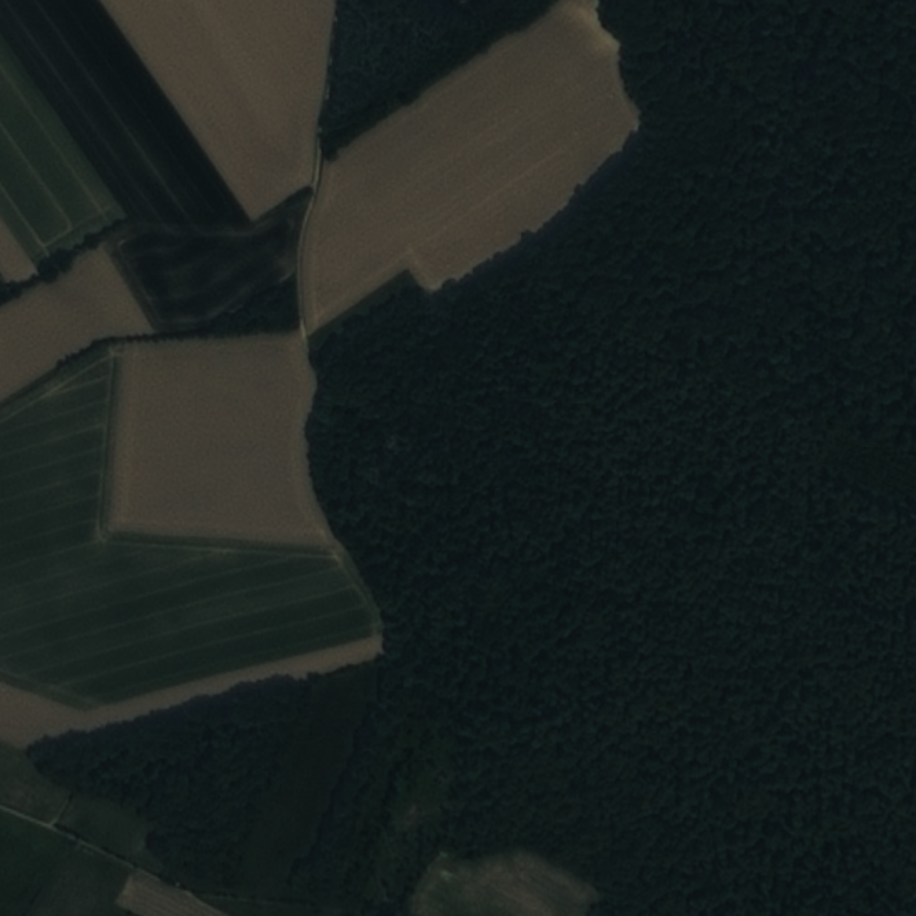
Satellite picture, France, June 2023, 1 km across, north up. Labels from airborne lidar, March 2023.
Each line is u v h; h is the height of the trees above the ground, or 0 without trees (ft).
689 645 74
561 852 61
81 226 0
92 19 0
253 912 0
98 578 0
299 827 0
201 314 0
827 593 50
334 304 0
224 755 98
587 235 94
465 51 34
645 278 85
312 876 68
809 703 77
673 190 96
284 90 0
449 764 0
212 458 0
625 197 91
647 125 67
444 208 0
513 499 78
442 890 0
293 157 0
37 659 0
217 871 60
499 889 0
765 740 77
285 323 44
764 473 60
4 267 0
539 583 81
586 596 82
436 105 0
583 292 81
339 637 0
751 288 67
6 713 0
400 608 53
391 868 0
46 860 0
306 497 0
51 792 0
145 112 0
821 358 93
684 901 71
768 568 63
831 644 78
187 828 63
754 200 110
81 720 0
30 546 0
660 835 86
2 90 0
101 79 0
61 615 0
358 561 55
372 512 30
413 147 0
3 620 0
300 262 0
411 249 0
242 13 0
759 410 77
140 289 0
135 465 0
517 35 0
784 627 75
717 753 81
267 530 0
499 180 0
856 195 86
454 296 57
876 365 75
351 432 85
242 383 0
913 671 70
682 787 90
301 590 0
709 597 80
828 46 90
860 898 45
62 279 0
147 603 0
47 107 0
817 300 89
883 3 73
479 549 75
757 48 97
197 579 0
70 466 0
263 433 0
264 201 0
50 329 0
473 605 83
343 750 0
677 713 86
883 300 90
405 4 97
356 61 91
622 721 73
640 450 44
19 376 0
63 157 0
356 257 0
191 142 0
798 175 79
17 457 0
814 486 78
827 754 80
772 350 78
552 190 0
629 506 30
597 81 0
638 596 79
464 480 73
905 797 85
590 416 68
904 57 81
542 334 73
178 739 87
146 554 0
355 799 71
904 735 73
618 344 70
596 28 0
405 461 84
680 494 48
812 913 69
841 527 70
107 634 0
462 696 65
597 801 90
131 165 0
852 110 84
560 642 81
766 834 82
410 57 66
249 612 0
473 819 52
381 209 0
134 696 0
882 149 87
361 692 0
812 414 76
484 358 74
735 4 90
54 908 0
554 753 79
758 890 67
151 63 0
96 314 0
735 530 63
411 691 77
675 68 94
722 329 87
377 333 64
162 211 0
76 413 0
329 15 0
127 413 0
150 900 0
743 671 72
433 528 81
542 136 0
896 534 74
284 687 82
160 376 0
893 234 71
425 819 0
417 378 80
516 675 78
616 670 85
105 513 0
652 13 81
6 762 0
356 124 41
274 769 91
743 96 89
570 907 0
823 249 94
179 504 0
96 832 0
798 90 93
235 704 82
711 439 64
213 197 0
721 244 67
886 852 90
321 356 48
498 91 0
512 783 75
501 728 83
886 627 79
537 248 78
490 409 76
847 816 79
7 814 0
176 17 0
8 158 0
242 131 0
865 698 73
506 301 35
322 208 0
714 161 78
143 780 80
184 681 0
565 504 71
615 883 72
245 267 0
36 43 0
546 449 73
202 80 0
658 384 77
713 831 76
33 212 0
